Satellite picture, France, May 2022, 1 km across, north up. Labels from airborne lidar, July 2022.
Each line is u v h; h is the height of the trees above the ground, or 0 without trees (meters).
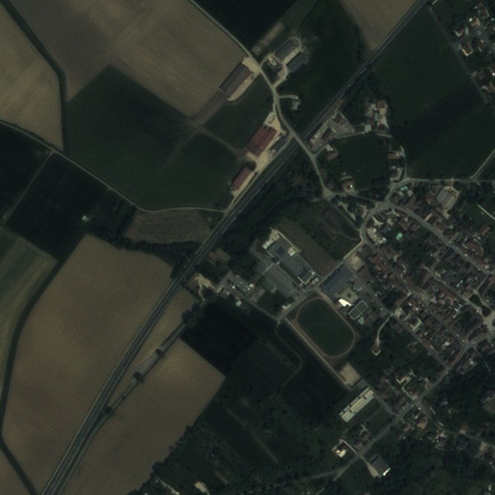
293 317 0
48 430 0
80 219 6
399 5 0
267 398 0
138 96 0
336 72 0
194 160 0
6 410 0
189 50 0
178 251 7
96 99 0
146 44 0
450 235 0
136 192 0
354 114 9
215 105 0
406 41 0
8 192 0
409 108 0
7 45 0
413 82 0
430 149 0
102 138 0
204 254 0
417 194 12
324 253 0
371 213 0
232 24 0
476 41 10
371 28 0
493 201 11
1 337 0
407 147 0
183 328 0
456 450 7
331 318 0
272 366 0
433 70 0
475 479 10
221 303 0
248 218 16
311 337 0
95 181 0
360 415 0
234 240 19
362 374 0
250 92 0
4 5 0
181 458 0
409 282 0
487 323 0
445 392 9
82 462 0
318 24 0
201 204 0
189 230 0
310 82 0
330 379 0
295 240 0
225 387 0
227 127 0
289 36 0
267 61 0
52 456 0
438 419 11
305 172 16
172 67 0
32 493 0
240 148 0
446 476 0
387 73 0
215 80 0
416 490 0
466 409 13
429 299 0
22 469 0
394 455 6
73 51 0
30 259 0
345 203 12
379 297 7
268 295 0
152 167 0
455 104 0
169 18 0
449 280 0
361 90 7
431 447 8
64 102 0
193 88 0
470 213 0
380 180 13
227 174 0
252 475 7
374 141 0
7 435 0
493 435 17
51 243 0
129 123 0
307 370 0
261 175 0
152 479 12
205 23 0
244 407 0
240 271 26
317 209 0
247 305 0
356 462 0
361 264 0
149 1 0
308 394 0
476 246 0
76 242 0
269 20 0
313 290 0
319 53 0
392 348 7
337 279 0
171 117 0
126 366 0
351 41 0
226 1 0
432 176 13
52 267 0
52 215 0
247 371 0
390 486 8
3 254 0
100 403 0
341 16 0
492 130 0
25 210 0
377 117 0
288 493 0
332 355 0
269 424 15
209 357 0
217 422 0
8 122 0
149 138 0
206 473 0
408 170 0
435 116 0
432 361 7
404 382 0
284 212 20
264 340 7
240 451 0
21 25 0
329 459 0
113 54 0
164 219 0
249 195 0
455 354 0
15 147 0
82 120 0
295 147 0
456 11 0
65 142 0
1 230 0
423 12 0
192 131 0
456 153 0
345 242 0
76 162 0
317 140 0
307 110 0
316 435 0
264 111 0
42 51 0
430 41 0
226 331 0
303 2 0
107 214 0
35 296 0
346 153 0
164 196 0
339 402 6
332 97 0
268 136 0
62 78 0
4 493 0
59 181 0
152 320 0
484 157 0
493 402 0
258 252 0
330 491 7
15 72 0
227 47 0
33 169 0
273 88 0
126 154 0
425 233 0
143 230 0
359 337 0
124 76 0
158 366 0
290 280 0
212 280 11
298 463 12
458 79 0
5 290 0
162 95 0
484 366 6
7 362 0
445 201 0
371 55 0
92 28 0
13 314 0
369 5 0
